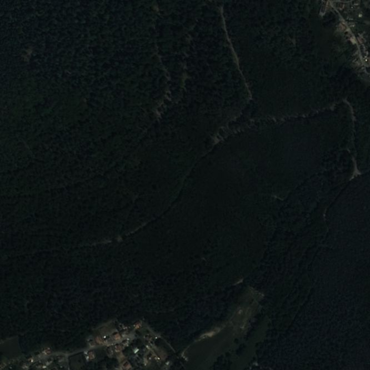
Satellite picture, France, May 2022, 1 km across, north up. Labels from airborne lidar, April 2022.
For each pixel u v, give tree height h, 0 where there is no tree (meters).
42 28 31
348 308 23
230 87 25
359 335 22
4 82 19
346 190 18
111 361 14
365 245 20
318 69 22
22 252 13
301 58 24
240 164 17
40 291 8
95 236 12
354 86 21
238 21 28
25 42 28
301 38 11
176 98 28
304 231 14
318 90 13
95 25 35
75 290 27
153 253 11
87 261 8
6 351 0
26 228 23
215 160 17
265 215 17
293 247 19
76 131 35
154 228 13
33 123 36
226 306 17
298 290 15
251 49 17
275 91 20
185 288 10
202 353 0
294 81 18
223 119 16
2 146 25
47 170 31
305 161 16
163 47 36
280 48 24
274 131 17
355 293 19
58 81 34
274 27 24
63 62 34
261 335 0
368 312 19
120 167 27
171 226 13
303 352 26
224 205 13
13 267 9
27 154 24
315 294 19
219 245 15
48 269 12
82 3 36
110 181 18
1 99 16
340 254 18
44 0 30
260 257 16
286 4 24
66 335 16
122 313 13
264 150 12
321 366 26
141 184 15
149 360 0
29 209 17
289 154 14
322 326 23
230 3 12
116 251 9
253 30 27
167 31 40
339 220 16
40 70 31
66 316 25
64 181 23
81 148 32
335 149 17
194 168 14
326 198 20
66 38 31
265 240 14
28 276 20
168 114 25
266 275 16
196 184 17
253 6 27
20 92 29
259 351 12
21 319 20
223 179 15
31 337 14
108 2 45
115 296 22
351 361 24
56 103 36
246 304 0
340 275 18
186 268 12
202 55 9
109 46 34
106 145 31
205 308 18
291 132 16
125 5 36
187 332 21
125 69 42
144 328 0
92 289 15
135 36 33
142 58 35
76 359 0
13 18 13
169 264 9
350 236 16
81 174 29
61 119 32
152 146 10
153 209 11
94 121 34
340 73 11
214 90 32
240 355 11
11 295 18
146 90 26
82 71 34
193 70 6
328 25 13
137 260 12
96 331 0
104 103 33
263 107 18
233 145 18
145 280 12
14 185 21
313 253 14
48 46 29
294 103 19
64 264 16
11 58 21
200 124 33
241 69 11
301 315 16
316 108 19
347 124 18
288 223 28
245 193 16
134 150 23
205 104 30
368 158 15
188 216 14
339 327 27
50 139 31
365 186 17
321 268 19
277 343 23
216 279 9
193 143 14
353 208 19
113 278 16
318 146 17
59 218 19
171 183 14
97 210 14
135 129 30
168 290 14
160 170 12
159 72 34
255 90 23
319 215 18
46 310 20
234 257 14
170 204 12
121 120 35
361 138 13
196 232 11
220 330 0
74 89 34
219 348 0
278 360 23
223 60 27
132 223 9
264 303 18
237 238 15
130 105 27
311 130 17
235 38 19
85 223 24
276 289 16
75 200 24
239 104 30
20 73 21
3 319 26
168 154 20
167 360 10
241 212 12
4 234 23
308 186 25
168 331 25
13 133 27
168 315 12
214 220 12
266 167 15
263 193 12
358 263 19
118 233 7
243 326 0
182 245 14
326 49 0
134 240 7
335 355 17
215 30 18
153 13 28
